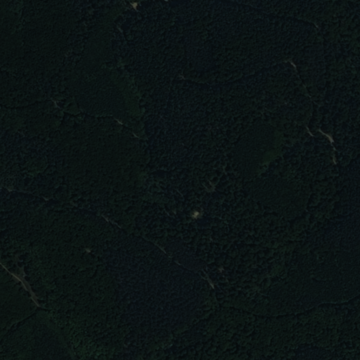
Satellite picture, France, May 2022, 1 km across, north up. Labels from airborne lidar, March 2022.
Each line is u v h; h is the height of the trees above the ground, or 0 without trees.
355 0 9
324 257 19
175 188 23
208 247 29
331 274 18
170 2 0
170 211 29
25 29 24
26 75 26
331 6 31
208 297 33
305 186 16
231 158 21
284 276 18
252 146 19
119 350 26
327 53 24
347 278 21
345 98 39
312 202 33
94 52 19
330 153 28
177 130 28
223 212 30
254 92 28
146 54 19
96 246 28
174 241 24
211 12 32
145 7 32
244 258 26
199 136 31
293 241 23
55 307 22
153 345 30
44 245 26
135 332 28
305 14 31
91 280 29
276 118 28
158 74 21
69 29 24
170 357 26
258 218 33
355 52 25
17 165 8
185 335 26
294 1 32
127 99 23
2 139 30
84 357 20
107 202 27
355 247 20
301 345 21
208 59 19
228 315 25
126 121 19
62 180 28
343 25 39
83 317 26
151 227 32
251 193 18
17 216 25
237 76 29
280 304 26
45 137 29
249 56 29
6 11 33
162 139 25
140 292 27
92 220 24
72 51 25
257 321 23
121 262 29
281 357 24
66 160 29
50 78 26
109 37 21
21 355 14
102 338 30
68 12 27
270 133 22
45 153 23
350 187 31
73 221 27
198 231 33
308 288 18
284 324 24
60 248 28
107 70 21
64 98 30
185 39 22
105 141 26
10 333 15
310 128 30
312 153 29
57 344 18
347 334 25
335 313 25
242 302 19
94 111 20
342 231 29
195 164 27
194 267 25
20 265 18
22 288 9
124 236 23
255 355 25
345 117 29
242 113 25
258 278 30
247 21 27
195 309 24
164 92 22
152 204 29
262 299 18
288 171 14
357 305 22
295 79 30
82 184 25
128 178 30
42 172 30
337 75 35
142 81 24
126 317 35
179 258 26
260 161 25
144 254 29
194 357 29
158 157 32
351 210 30
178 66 28
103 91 19
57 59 23
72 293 27
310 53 33
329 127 34
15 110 26
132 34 26
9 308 13
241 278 32
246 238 30
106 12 21
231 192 17
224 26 27
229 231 25
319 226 18
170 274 26
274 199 18
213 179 30
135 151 27
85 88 19
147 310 33
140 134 22
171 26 27
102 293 30
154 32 25
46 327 18
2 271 11
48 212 26
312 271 19
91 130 26
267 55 25
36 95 30
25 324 13
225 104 27
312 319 26
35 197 15
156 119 27
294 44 29
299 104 33
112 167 29
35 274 25
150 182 30
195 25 29
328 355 28
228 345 24
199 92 29
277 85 27
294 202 20
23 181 6
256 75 27
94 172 29
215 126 27
